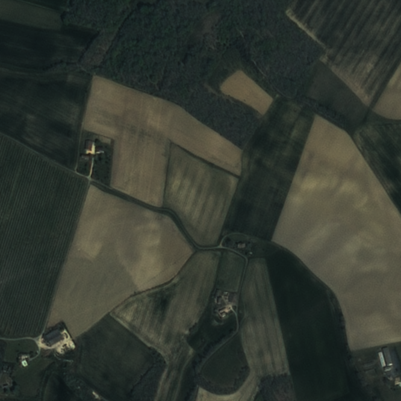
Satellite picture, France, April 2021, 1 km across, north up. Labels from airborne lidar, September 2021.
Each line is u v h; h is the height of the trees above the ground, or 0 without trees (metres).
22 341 0
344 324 13
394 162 0
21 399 9
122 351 0
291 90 24
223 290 0
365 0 0
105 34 15
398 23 0
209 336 0
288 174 0
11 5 0
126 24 11
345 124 7
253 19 20
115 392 0
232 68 7
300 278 0
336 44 0
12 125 0
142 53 17
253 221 0
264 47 18
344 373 0
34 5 0
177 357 0
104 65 15
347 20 0
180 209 0
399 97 0
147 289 0
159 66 16
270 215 0
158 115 0
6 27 0
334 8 0
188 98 18
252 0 22
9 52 0
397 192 0
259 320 0
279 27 20
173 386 0
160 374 22
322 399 0
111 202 0
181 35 21
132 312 0
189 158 0
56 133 0
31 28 0
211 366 0
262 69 18
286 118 0
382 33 0
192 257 0
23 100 0
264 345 0
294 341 0
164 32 24
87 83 0
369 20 0
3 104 0
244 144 17
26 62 0
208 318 0
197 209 0
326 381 0
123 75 15
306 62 20
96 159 15
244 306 0
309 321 0
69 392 0
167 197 0
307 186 0
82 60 13
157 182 0
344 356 0
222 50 10
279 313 0
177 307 0
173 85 12
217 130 16
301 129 0
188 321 0
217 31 10
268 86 10
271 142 0
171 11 24
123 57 7
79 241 0
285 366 0
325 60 0
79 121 0
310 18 0
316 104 18
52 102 0
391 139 0
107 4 25
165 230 0
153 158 0
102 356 0
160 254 0
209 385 13
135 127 0
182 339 0
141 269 0
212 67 20
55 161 0
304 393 0
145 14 19
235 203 0
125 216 0
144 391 14
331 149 0
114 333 0
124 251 0
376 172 0
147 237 0
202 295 0
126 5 17
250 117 20
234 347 0
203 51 11
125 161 0
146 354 0
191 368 0
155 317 0
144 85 16
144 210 0
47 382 0
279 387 11
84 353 0
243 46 14
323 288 0
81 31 0
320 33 0
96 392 0
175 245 0
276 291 0
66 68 14
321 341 0
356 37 0
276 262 0
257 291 0
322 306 0
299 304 0
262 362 0
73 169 0
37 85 0
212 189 0
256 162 0
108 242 0
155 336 0
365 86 0
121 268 0
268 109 0
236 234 0
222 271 0
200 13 16
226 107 25
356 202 0
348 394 0
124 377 0
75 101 0
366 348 0
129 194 0
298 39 19
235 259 0
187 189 0
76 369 0
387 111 0
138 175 0
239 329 0
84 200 0
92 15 19
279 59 15
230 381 0
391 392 0
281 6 15
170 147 0
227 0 19
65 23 16
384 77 0
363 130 0
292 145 0
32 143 0
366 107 0
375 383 0
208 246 0
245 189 0
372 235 0
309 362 0
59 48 0
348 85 0
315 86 0
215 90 10
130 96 0
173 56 19
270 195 0
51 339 0
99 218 0
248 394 0
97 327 0
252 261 0
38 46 0
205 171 0
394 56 0
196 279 0
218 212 0
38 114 0
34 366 0
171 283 0
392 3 0
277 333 0
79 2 7
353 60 0
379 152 0
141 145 0
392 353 0
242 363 0
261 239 0
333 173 0
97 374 0
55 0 0
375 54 0
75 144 0
